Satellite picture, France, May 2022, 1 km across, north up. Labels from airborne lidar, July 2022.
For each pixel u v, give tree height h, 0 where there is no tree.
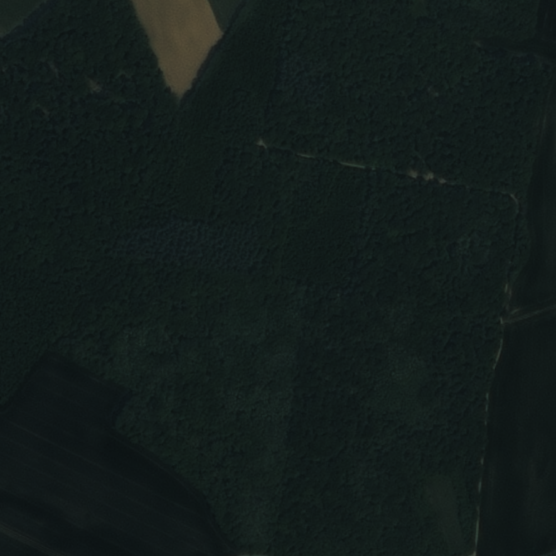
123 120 31
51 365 0
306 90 34
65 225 25
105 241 26
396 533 23
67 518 0
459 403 29
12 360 19
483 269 32
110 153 34
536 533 0
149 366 26
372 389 29
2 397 17
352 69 24
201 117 14
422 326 20
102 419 0
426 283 31
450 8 22
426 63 26
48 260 22
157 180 20
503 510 0
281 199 22
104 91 32
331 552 21
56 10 28
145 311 22
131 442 16
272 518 22
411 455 25
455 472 17
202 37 0
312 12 29
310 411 28
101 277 27
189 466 19
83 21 30
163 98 28
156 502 0
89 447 0
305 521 25
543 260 0
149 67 25
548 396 0
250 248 23
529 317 0
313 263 12
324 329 23
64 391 0
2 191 29
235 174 26
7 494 0
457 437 26
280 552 19
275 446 26
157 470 0
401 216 27
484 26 22
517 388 0
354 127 25
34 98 31
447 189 21
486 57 22
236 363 27
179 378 25
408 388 26
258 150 19
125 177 29
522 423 0
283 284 19
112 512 0
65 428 0
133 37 25
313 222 12
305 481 31
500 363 0
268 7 10
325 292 22
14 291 21
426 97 29
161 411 27
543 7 0
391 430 16
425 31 28
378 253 29
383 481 28
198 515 0
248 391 21
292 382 20
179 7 0
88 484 0
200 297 21
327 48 27
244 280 22
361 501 25
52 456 0
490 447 0
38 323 20
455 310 28
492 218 27
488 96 31
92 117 30
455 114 28
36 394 0
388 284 28
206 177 12
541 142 0
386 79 26
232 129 18
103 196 26
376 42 22
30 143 34
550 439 0
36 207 28
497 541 0
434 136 26
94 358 17
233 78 17
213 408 22
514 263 19
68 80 29
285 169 21
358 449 29
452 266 28
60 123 32
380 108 26
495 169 26
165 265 21
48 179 31
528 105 28
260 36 14
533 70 26
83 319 24
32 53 33
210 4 0
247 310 21
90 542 0
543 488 0
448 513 0
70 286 24
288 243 7
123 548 0
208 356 24
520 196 19
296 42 27
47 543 0
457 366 28
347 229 11
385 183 20
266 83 15
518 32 23
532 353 0
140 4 0
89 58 31
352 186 10
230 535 18
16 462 0
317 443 30
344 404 27
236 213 29
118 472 0
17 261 22
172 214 14
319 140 23
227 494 21
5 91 30
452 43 27
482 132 27
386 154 24
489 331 29
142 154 31
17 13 0
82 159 30
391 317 18
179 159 20
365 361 20
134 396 19
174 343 18
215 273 20
